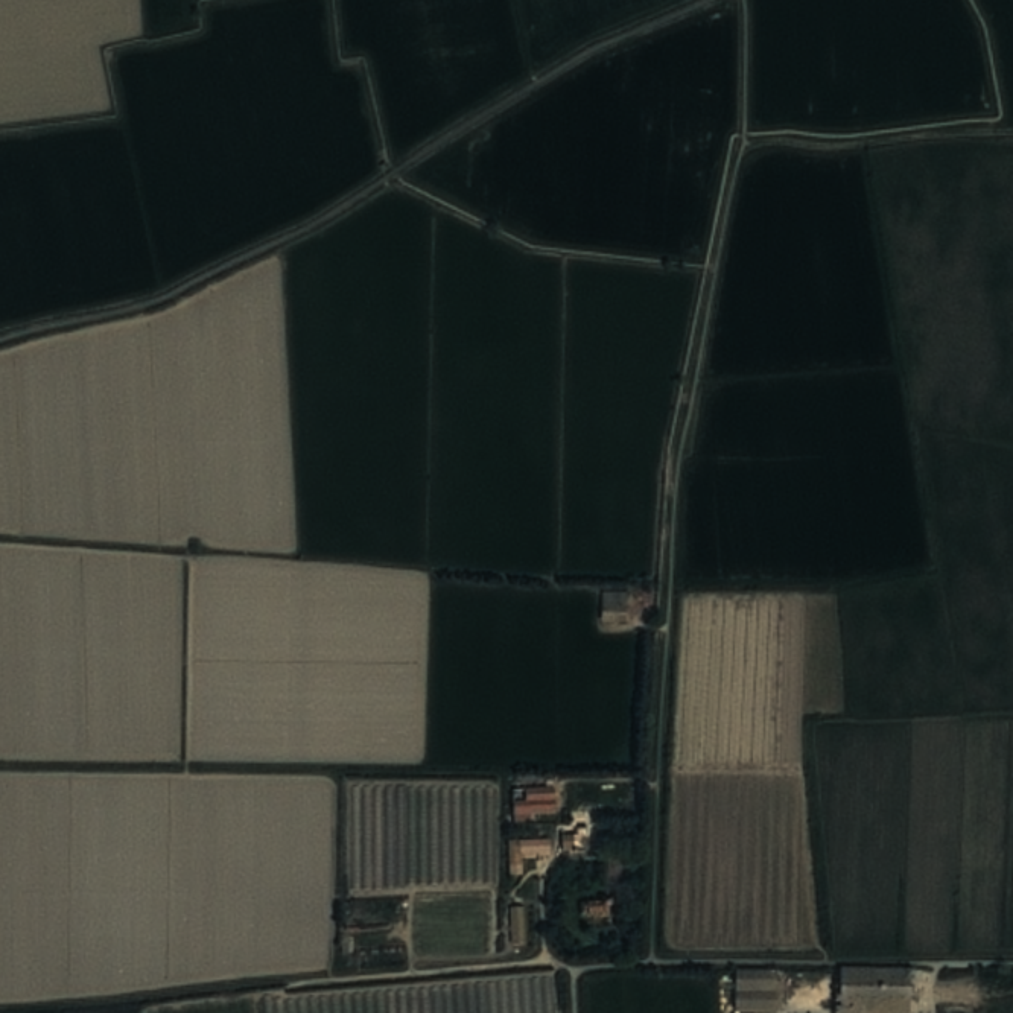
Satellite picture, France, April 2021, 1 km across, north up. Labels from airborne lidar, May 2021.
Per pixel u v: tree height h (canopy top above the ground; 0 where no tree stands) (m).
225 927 0
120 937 0
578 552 0
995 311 0
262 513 0
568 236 0
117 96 0
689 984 0
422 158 0
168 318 0
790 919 0
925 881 0
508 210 0
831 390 0
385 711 0
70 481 0
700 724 0
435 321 0
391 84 0
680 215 0
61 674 0
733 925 0
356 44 0
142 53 0
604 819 17
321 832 0
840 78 0
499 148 0
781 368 0
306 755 0
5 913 0
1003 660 0
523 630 0
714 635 0
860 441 0
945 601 0
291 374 0
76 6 0
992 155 0
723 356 0
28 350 0
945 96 0
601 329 0
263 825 0
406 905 0
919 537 0
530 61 0
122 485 0
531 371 0
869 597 0
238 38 0
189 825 0
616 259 0
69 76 0
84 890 0
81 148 0
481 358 0
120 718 0
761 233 0
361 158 0
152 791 0
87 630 0
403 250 0
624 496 0
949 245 0
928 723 0
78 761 0
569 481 0
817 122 0
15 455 0
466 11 0
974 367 0
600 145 0
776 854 0
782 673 0
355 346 0
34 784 0
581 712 0
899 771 0
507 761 0
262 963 0
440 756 0
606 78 0
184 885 0
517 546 0
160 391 0
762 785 0
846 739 0
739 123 0
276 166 0
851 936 0
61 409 0
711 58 0
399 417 0
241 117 0
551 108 0
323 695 0
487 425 0
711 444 0
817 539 0
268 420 0
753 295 0
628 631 0
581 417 0
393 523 0
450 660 0
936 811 0
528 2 0
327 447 0
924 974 0
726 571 0
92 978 0
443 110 0
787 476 0
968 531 0
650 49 0
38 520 0
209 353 0
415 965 0
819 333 0
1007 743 0
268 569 0
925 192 0
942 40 0
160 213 0
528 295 0
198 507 0
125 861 0
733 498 0
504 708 0
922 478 0
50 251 0
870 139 0
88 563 0
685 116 0
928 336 0
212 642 0
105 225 0
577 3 0
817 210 0
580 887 8
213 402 0
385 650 0
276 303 0
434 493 0
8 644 0
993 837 0
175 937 0
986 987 0
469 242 0
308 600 0
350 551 0
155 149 0
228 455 0
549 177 0
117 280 0
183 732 0
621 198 0
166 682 0
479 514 0
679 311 0
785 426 0
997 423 0
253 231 0
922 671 0
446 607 0
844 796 0
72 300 0
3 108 0
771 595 0
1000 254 0
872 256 0
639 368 0
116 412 0
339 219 0
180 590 0
